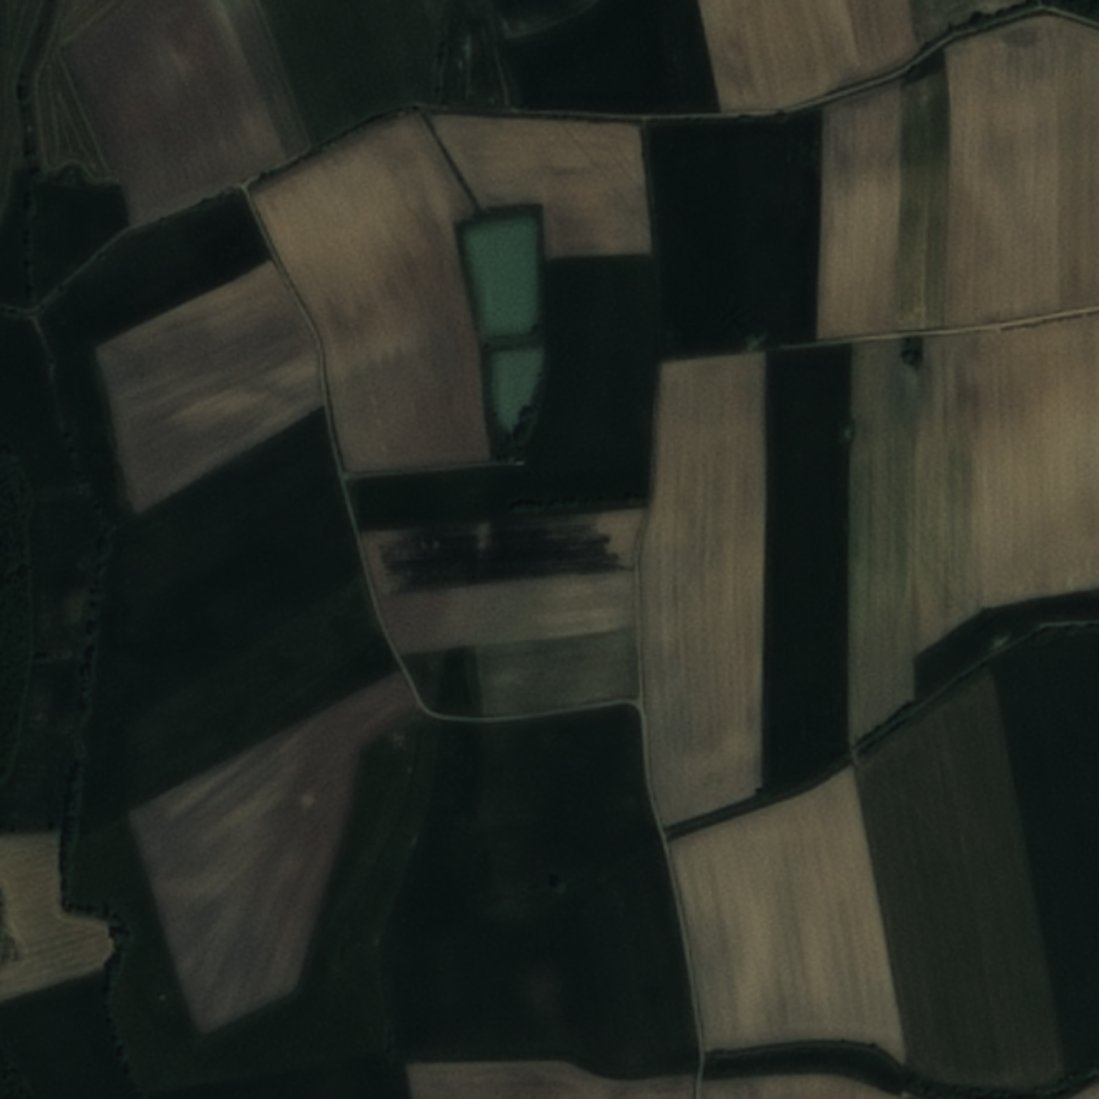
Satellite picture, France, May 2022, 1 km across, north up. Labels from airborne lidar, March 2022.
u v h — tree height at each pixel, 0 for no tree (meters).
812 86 0
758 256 0
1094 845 0
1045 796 0
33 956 0
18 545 18
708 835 0
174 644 0
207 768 0
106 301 0
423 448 0
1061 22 0
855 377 0
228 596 0
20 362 0
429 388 0
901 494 0
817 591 0
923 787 0
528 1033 0
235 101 0
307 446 0
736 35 0
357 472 0
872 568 0
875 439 0
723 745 0
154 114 0
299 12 0
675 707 0
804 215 0
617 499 0
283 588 0
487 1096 0
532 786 0
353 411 0
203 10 0
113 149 0
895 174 0
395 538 0
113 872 0
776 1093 0
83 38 0
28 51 0
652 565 0
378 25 0
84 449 0
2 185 0
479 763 0
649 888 0
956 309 0
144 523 0
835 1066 0
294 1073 0
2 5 0
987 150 0
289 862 0
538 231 0
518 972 0
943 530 0
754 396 0
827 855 0
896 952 0
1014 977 0
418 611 0
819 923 0
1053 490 0
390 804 0
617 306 0
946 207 0
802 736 0
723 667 0
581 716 0
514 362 0
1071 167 0
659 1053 0
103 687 0
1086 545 0
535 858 0
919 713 0
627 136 0
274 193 0
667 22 0
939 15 0
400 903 0
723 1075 0
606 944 0
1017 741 0
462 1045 0
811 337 0
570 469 0
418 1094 0
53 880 0
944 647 0
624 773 0
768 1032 0
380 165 0
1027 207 0
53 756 0
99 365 0
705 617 0
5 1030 0
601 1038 0
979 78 0
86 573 0
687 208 0
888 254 0
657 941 0
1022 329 0
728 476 0
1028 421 0
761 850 0
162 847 0
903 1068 0
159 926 0
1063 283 0
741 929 0
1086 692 0
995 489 0
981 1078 0
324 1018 0
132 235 0
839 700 0
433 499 0
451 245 0
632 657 0
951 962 0
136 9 0
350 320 0
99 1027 0
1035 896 0
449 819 0
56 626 0
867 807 0
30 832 0
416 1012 0
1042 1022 0
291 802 0
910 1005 0
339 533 0
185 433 0
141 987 0
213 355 0
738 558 0
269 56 0
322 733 0
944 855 0
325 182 0
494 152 0
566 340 0
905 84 0
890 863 0
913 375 0
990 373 0
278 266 0
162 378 0
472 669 0
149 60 0
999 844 0
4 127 0
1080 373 0
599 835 0
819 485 0
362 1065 0
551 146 0
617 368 0
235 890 0
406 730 0
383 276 0
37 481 0
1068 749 0
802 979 0
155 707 0
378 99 0
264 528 0
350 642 0
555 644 0
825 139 0
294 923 0
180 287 0
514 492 0
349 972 0
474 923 0
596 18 0
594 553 0
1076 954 0
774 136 0
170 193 0
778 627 0
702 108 0
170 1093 0
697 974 0
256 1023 0
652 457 0
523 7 0
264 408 0
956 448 0
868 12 0
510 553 0
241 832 0
